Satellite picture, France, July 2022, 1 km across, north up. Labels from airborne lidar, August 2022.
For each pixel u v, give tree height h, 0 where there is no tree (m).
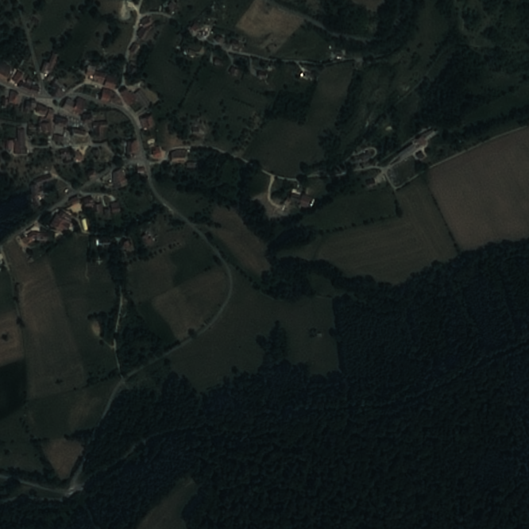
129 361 12
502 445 20
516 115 20
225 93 0
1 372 0
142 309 0
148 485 35
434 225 0
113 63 6
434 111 22
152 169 6
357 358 25
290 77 0
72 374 0
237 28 0
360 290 27
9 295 0
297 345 0
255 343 0
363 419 27
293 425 28
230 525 26
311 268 19
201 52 0
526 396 22
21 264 0
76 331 0
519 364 24
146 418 16
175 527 0
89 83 0
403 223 0
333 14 8
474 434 24
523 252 22
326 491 25
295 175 0
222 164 8
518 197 0
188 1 0
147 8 0
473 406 20
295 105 15
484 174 0
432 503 26
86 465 11
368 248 0
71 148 12
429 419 26
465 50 13
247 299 0
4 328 0
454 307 27
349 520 25
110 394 0
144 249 13
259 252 0
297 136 0
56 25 0
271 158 0
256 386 23
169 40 0
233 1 0
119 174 0
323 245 0
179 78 0
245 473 25
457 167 0
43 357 0
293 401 10
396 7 19
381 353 20
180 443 32
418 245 0
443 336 15
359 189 0
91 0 14
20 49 6
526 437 23
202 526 25
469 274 18
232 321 0
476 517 25
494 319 20
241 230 0
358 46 19
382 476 21
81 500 0
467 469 19
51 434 0
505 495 28
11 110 8
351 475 28
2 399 0
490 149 0
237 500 11
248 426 33
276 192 6
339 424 27
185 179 18
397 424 25
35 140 7
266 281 18
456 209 0
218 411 38
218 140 6
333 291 0
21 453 0
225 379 0
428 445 27
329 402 32
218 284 0
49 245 7
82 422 0
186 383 16
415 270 0
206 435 29
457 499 21
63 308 0
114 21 21
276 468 24
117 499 30
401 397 23
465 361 28
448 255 0
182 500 0
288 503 26
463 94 8
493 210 0
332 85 0
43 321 0
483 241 0
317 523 17
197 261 0
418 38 0
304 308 0
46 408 0
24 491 0
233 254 0
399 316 23
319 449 27
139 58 7
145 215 12
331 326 0
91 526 34
